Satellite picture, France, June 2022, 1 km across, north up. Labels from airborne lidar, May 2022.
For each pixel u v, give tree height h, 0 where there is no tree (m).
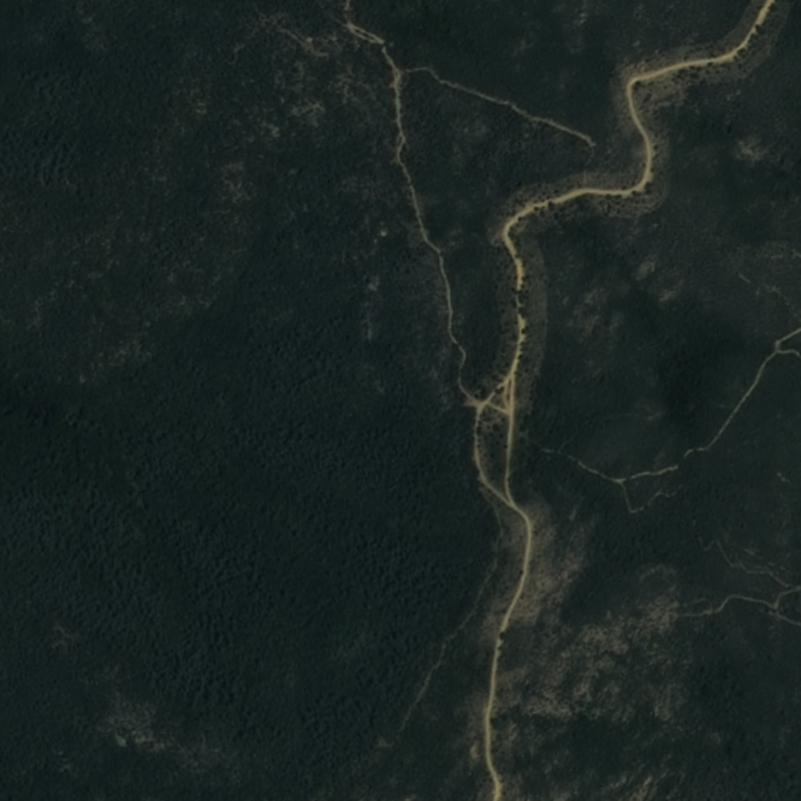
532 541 0
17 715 7
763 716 8
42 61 6
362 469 15
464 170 7
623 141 0
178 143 6
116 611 19
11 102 7
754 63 0
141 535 14
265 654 7
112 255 7
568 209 6
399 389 10
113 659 6
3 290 8
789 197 9
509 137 6
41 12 8
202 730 6
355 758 7
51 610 6
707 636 8
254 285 9
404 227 6
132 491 12
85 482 13
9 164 18
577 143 11
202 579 10
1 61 7
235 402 11
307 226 8
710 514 7
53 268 7
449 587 9
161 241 6
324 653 6
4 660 6
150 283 7
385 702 10
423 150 6
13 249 9
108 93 9
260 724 8
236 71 8
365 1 8
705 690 13
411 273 11
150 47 6
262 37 6
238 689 8
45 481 9
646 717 6
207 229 6
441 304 0
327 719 12
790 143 10
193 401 13
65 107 6
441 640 6
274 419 8
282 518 10
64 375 8
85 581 8
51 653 7
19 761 7
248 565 10
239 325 8
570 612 7
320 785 6
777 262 0
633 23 0
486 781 6
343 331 7
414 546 14
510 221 0
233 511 16
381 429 9
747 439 7
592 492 8
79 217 8
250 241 7
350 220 7
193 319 7
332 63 6
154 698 6
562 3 0
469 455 6
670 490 6
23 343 9
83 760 6
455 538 6
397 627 8
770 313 0
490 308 6
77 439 12
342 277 7
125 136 9
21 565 9
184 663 17
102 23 6
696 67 8
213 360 9
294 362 7
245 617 8
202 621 10
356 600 8
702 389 8
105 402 7
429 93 6
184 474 11
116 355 8
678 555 12
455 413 6
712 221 0
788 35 7
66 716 6
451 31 12
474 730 0
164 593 13
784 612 6
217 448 7
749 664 8
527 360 6
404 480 8
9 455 11
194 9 7
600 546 7
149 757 6
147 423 8
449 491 7
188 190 6
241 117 7
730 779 9
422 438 7
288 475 6
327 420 12
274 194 8
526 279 8
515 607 0
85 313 8
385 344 6
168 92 9
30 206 6
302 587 9
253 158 7
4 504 7
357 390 6
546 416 7
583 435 7
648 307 7
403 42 7
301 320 9
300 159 7
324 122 6
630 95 0
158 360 9
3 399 20
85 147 8
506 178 7
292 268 7
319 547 6
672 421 7
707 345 7
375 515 7
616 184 0
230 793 7
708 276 5
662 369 6
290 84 7
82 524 12
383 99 6
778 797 10
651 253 0
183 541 18
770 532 0
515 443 0
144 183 7
